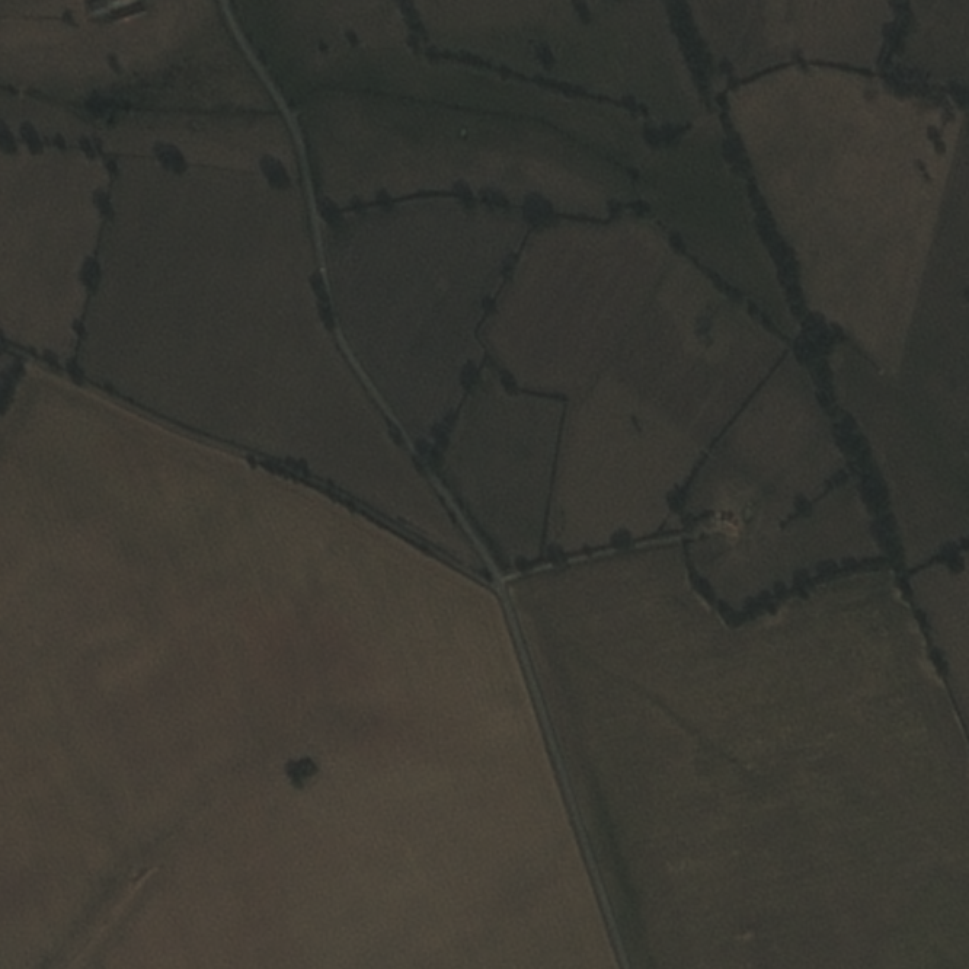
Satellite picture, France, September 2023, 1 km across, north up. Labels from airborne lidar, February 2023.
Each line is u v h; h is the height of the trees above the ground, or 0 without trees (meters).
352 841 0
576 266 0
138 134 0
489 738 0
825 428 0
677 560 0
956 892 0
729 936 0
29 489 0
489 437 0
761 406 0
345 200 0
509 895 0
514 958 0
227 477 0
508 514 0
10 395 11
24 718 0
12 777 0
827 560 0
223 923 0
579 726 0
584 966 0
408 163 0
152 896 0
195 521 0
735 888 0
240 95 0
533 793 0
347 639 0
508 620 0
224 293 0
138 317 0
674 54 0
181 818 0
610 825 0
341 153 0
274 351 0
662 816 0
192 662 0
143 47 0
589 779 0
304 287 0
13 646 0
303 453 0
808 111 0
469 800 0
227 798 0
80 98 0
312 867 0
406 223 0
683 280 0
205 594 0
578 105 0
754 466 0
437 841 0
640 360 0
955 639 0
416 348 0
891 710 0
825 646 0
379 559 0
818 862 0
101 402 0
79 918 0
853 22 0
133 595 0
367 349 0
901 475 0
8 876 0
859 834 0
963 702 0
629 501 0
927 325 0
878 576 0
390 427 11
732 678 0
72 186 0
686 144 0
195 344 0
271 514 0
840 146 0
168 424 0
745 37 0
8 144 19
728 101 8
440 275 0
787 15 0
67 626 0
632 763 0
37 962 0
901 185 0
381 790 0
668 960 0
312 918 0
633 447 0
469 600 0
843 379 0
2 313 0
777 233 16
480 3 0
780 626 0
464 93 0
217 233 0
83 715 0
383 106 0
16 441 0
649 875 0
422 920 0
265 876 0
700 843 0
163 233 0
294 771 14
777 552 0
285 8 0
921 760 0
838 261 0
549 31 0
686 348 0
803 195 0
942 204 0
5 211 0
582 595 0
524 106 0
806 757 0
